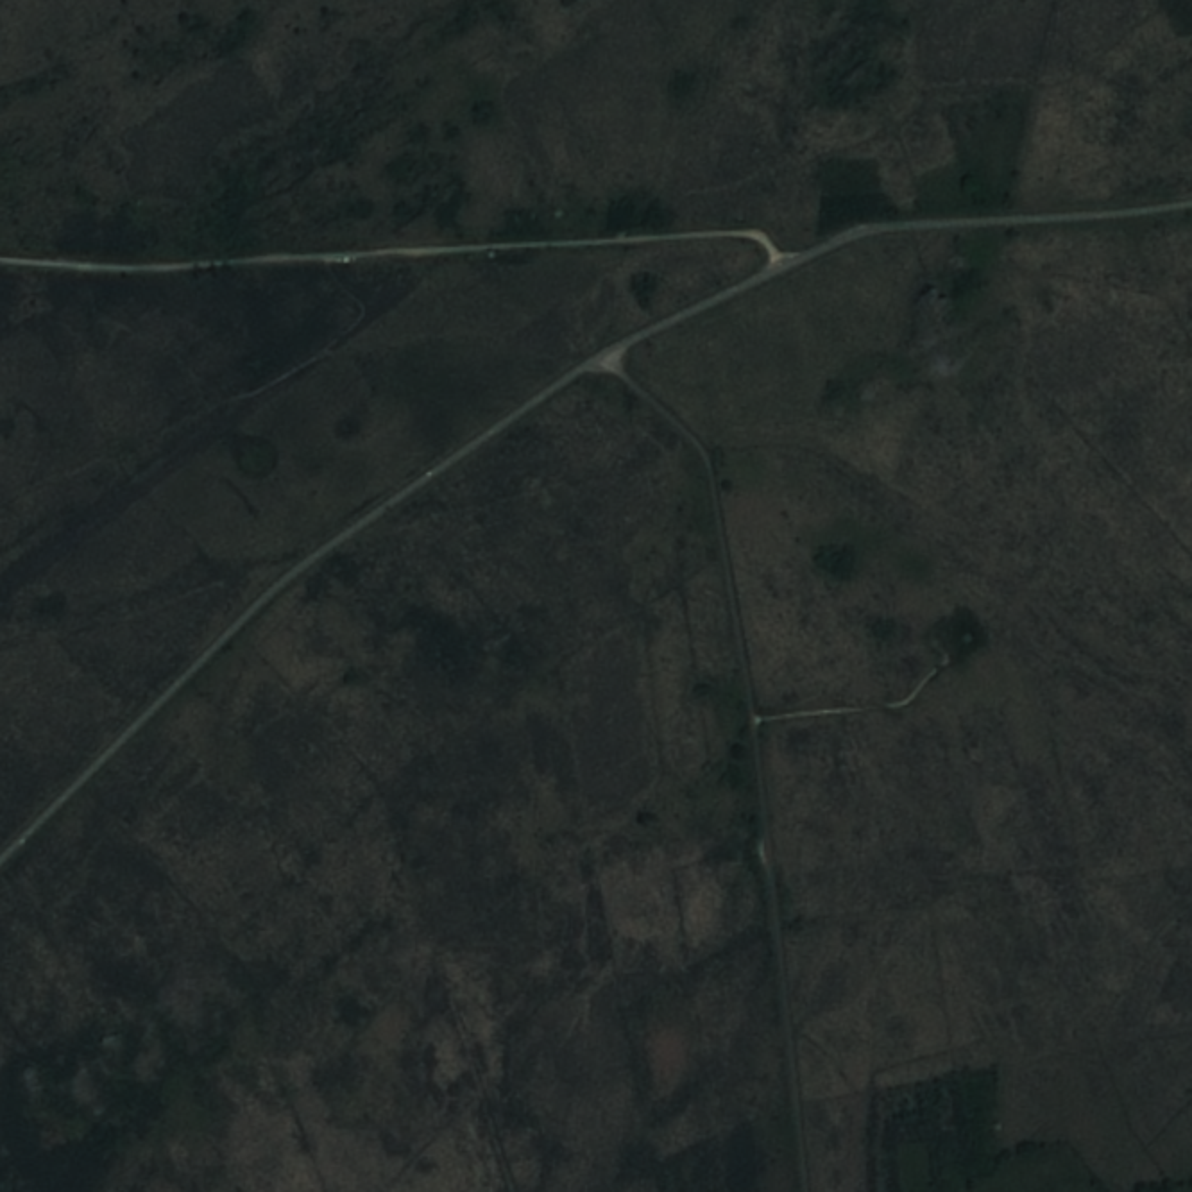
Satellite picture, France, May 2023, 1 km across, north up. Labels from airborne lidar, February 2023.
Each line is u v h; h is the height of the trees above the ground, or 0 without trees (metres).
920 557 0
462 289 0
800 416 0
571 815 0
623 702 0
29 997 0
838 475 0
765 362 0
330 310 0
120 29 0
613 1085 0
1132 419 0
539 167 0
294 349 0
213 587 0
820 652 0
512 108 0
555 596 0
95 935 0
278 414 0
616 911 0
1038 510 0
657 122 0
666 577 0
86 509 0
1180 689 0
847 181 0
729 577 0
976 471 0
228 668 0
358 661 0
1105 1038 0
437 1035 0
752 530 0
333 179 0
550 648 0
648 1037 0
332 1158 0
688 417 0
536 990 0
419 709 0
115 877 0
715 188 0
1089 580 0
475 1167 0
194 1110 0
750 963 0
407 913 0
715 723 0
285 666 0
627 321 0
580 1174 0
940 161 0
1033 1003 0
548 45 0
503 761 0
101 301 0
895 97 0
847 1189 0
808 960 0
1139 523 0
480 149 0
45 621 0
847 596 0
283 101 0
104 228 0
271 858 0
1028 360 0
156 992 0
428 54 0
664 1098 0
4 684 0
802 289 0
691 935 0
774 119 0
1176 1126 0
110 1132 8
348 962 0
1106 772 0
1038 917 0
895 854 0
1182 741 0
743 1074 0
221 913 0
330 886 0
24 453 0
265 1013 0
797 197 0
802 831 0
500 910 0
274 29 0
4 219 0
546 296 0
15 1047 0
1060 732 0
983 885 0
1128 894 0
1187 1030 0
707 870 0
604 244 0
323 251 0
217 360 0
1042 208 0
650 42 0
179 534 0
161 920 0
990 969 0
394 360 0
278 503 0
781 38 0
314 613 0
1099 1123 0
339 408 0
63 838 0
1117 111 0
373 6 0
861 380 0
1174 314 0
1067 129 0
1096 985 0
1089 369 0
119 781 0
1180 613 0
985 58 0
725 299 0
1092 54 0
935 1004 0
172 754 0
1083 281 0
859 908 0
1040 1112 0
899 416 0
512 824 0
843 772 0
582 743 0
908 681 0
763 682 0
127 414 0
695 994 0
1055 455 0
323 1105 0
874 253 0
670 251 0
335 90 0
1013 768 0
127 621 0
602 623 0
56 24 0
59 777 0
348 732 0
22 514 0
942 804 0
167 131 0
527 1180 0
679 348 0
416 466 0
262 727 0
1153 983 0
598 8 0
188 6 0
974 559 0
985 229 0
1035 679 0
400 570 0
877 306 0
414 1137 0
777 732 0
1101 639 0
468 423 0
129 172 0
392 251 0
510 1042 0
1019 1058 0
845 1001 0
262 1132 0
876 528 0
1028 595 0
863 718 0
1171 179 0
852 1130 0
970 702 0
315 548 0
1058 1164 0
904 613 0
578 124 0
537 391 0
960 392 0
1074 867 0
